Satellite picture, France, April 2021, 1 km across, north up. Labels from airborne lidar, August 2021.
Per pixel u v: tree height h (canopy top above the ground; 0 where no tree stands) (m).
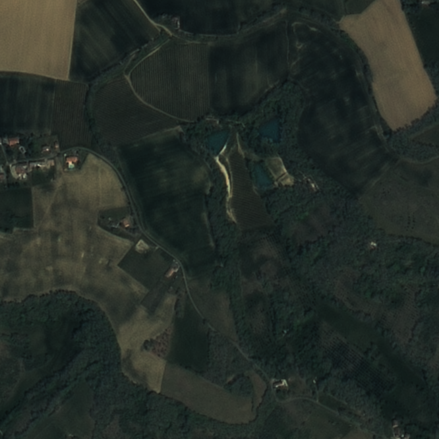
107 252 0
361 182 0
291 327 7
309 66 0
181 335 0
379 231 15
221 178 16
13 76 0
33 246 0
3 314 20
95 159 0
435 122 14
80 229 0
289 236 14
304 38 0
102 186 0
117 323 0
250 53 0
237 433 14
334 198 11
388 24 0
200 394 0
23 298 0
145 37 0
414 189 0
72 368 20
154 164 0
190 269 0
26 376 0
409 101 0
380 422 19
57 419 0
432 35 0
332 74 0
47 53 0
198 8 0
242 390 13
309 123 0
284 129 15
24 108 0
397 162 0
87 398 0
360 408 18
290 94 24
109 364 14
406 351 20
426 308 17
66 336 0
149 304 0
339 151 0
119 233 12
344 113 0
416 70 0
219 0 0
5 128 0
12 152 11
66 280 0
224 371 14
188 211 0
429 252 23
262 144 27
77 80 0
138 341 0
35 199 0
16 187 13
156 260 0
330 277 17
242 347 15
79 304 12
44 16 0
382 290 19
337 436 0
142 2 0
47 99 0
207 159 15
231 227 19
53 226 0
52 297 14
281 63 0
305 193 14
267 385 6
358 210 19
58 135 0
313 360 13
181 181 0
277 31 0
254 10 0
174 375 0
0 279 0
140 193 0
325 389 13
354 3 0
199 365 0
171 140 0
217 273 12
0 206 0
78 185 0
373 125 0
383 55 0
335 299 20
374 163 0
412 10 12
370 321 22
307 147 0
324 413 0
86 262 0
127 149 0
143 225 0
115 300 0
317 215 0
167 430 12
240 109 0
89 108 17
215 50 0
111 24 0
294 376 0
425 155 21
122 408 15
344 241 18
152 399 20
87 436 0
